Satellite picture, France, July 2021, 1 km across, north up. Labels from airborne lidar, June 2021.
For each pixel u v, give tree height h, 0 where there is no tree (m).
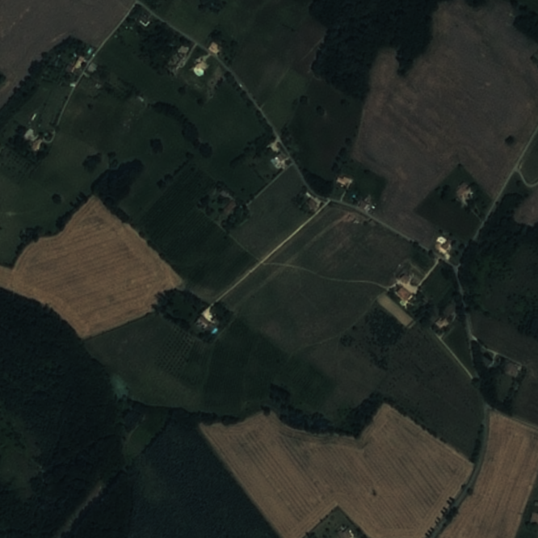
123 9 0
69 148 0
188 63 0
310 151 0
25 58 0
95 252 0
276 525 0
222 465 10
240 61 0
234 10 0
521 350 0
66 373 14
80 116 0
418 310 7
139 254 0
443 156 0
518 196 10
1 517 8
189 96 0
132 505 12
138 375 0
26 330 18
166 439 11
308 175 12
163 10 0
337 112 0
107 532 30
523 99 0
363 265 0
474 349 15
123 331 0
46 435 11
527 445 0
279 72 0
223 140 0
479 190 6
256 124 0
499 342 0
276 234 0
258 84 0
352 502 0
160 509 9
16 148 7
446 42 0
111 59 0
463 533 0
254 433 0
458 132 0
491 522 0
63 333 18
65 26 0
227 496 16
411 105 0
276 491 0
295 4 0
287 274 0
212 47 0
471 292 7
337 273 0
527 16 16
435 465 0
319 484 0
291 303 0
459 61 0
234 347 0
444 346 0
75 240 0
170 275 0
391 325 6
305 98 10
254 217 0
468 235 0
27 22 0
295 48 0
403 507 0
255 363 0
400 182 0
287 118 0
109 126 0
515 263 0
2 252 0
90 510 22
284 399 17
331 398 0
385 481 0
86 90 0
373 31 24
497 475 0
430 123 0
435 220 0
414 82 0
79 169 0
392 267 0
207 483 13
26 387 17
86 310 0
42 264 0
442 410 0
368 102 0
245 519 13
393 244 0
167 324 0
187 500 12
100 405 24
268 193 0
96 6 0
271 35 0
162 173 0
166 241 0
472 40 0
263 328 0
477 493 0
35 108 0
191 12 0
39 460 8
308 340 0
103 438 19
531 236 21
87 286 0
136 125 0
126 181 24
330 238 0
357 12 26
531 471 0
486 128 0
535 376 0
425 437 0
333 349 0
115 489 22
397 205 0
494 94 0
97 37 0
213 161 0
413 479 0
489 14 0
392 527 0
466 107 0
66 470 20
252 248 0
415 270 0
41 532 19
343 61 21
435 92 0
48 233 13
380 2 26
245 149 8
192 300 25
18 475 0
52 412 12
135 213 0
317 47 0
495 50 0
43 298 0
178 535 13
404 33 18
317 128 0
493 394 12
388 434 0
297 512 0
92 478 18
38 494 8
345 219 0
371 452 0
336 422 0
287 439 0
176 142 0
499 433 0
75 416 20
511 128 0
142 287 0
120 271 0
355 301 0
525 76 0
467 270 19
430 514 0
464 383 0
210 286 0
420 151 0
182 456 11
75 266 0
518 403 0
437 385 0
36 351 15
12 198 0
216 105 0
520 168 0
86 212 0
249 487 0
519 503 0
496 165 0
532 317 9
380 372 0
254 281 0
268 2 0
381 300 0
